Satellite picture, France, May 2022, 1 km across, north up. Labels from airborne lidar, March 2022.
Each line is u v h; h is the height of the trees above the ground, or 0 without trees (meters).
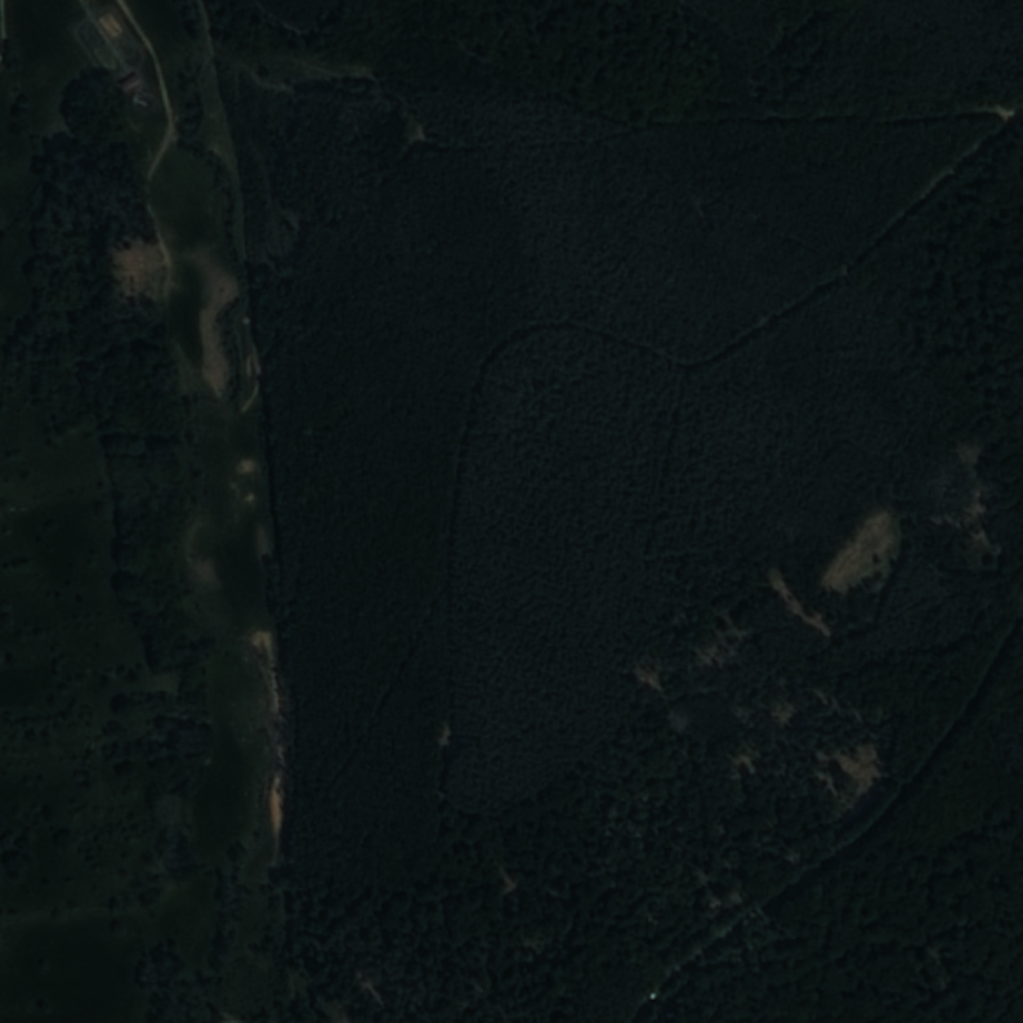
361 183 23
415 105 21
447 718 15
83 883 0
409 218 20
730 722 17
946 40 21
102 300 22
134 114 0
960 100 21
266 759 0
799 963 26
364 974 32
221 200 0
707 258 18
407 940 30
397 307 19
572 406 23
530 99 20
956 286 28
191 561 0
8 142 0
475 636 22
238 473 0
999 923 29
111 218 25
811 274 17
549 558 23
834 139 16
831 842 25
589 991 18
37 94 0
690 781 19
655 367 20
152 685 0
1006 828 32
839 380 21
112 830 7
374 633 18
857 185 15
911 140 19
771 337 13
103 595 0
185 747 21
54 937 0
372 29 23
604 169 21
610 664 20
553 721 21
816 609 25
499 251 20
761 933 20
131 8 0
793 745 11
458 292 17
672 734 13
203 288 0
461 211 21
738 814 26
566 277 22
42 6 0
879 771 0
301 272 22
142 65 0
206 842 0
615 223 19
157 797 24
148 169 0
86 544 0
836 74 23
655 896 21
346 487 19
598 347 21
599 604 21
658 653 17
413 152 15
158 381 33
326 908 29
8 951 0
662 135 17
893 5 22
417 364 20
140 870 0
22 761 0
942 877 31
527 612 25
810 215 16
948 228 22
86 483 0
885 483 21
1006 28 22
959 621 12
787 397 22
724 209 15
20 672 0
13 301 0
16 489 0
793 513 21
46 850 0
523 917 19
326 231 21
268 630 0
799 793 25
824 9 23
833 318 18
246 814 0
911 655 21
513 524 21
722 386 23
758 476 21
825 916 24
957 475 22
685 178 14
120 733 12
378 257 24
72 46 0
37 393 11
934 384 18
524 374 17
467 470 22
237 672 0
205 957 0
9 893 0
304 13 8
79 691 0
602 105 16
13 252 0
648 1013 19
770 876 24
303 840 18
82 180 33
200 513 0
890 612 14
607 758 28
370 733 17
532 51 26
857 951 26
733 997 25
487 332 17
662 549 24
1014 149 24
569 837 18
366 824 20
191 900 0
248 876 0
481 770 24
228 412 0
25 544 0
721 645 0
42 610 0
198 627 0
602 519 19
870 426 19
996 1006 26
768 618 26
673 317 18
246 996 0
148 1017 0
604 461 22
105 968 0
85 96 24
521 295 20
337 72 0
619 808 21
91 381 20
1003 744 19
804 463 22
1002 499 23
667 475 21
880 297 12
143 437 10
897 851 31
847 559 0
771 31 19
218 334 0
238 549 0
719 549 20
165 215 0
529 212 23
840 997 26
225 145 0
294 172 20
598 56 27
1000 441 24
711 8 20
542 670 19
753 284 18
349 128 24
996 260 28
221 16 20
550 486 20
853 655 19
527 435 19
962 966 28
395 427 18
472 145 19
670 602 20
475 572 23
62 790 0
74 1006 0
